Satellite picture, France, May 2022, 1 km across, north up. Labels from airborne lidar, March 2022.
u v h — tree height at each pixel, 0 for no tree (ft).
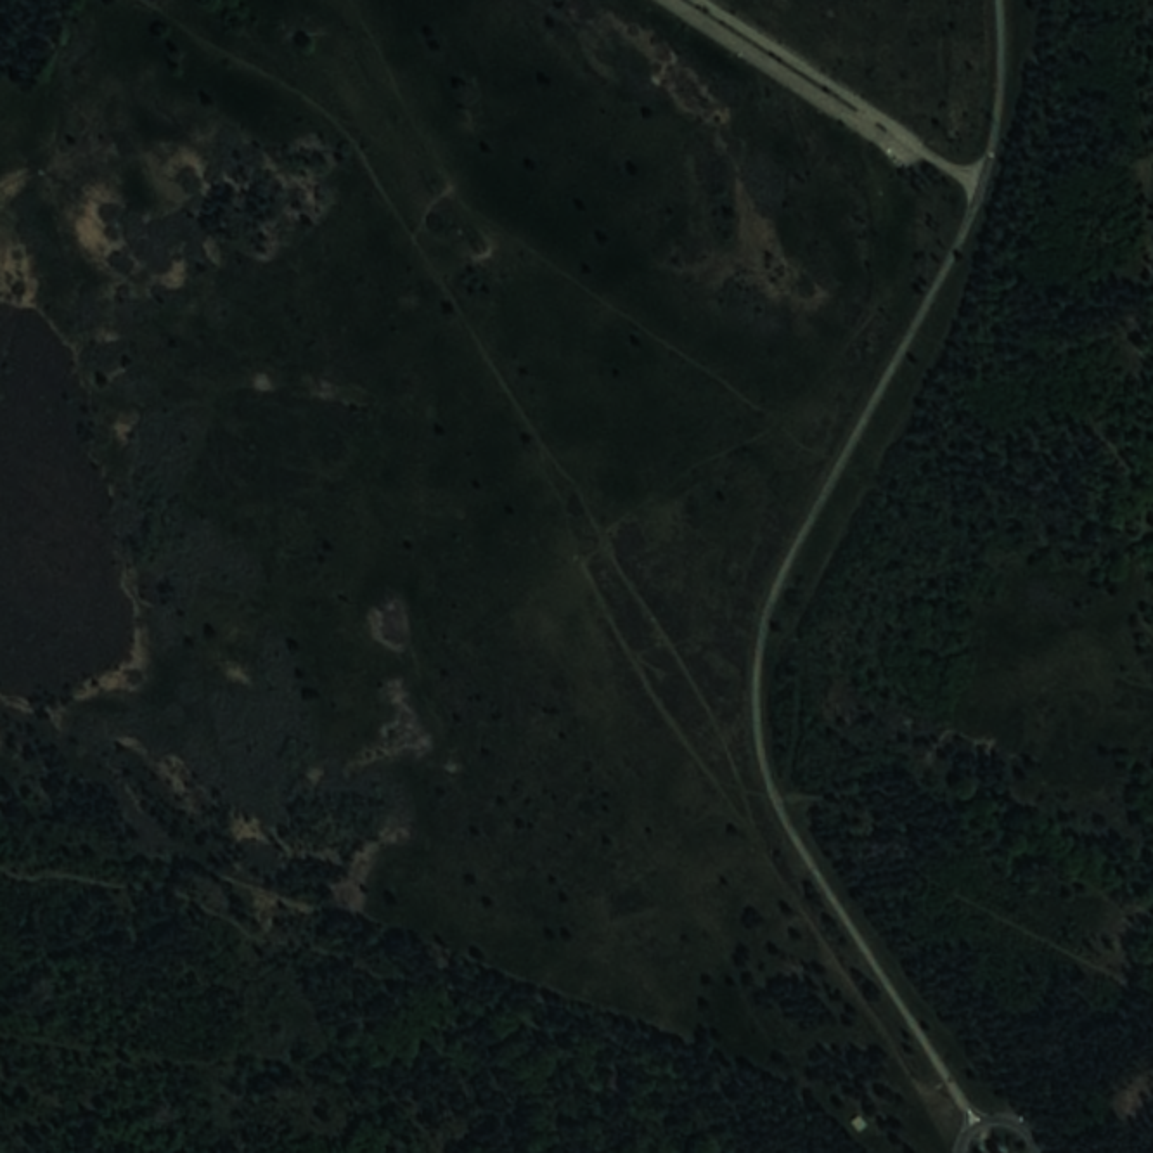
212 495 0
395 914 0
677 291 0
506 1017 58
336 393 0
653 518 0
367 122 0
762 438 0
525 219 0
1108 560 32
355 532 0
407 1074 77
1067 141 69
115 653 0
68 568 0
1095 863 62
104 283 0
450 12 0
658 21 0
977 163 0
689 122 0
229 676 0
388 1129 61
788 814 0
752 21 0
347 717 0
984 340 37
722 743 0
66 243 0
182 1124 32
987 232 45
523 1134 73
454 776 0
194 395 0
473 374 0
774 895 0
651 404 0
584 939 0
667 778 0
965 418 57
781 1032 0
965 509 23
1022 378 22
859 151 0
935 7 0
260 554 0
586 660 0
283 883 52
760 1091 71
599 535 0
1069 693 0
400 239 0
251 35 0
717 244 0
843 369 0
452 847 0
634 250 0
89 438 36
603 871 0
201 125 0
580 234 0
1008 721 0
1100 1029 77
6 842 49
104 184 0
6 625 0
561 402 0
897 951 33
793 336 0
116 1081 22
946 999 44
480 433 0
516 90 0
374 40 0
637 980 0
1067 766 0
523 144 0
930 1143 0
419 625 0
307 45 54
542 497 0
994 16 0
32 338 0
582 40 0
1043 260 22
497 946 0
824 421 0
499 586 0
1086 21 45
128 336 0
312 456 0
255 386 0
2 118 0
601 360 0
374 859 0
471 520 0
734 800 0
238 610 0
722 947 0
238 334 0
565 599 0
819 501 0
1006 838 55
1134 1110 0
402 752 0
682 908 0
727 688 0
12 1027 36
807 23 0
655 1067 59
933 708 42
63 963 58
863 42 0
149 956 75
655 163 0
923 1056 0
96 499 0
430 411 0
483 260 0
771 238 0
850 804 31
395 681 0
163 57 0
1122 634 0
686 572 0
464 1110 84
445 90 0
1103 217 22
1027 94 19
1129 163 24
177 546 38
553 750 0
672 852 0
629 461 0
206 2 59
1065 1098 70
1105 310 73
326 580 0
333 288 0
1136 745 0
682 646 0
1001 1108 0
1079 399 26
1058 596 22
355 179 0
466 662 0
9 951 21
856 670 33
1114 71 26
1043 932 0
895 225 0
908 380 0
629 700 0
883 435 0
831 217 0
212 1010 35
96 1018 57
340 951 21
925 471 37
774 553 0
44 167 0
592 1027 68
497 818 0
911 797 60
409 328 0
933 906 19
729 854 0
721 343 0
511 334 0
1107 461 71
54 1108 28
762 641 0
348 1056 48
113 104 0
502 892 0
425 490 0
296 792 27
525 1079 61
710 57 0
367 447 0
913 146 0
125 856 36
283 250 0
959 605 36
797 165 0
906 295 0
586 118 0
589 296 0
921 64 0
